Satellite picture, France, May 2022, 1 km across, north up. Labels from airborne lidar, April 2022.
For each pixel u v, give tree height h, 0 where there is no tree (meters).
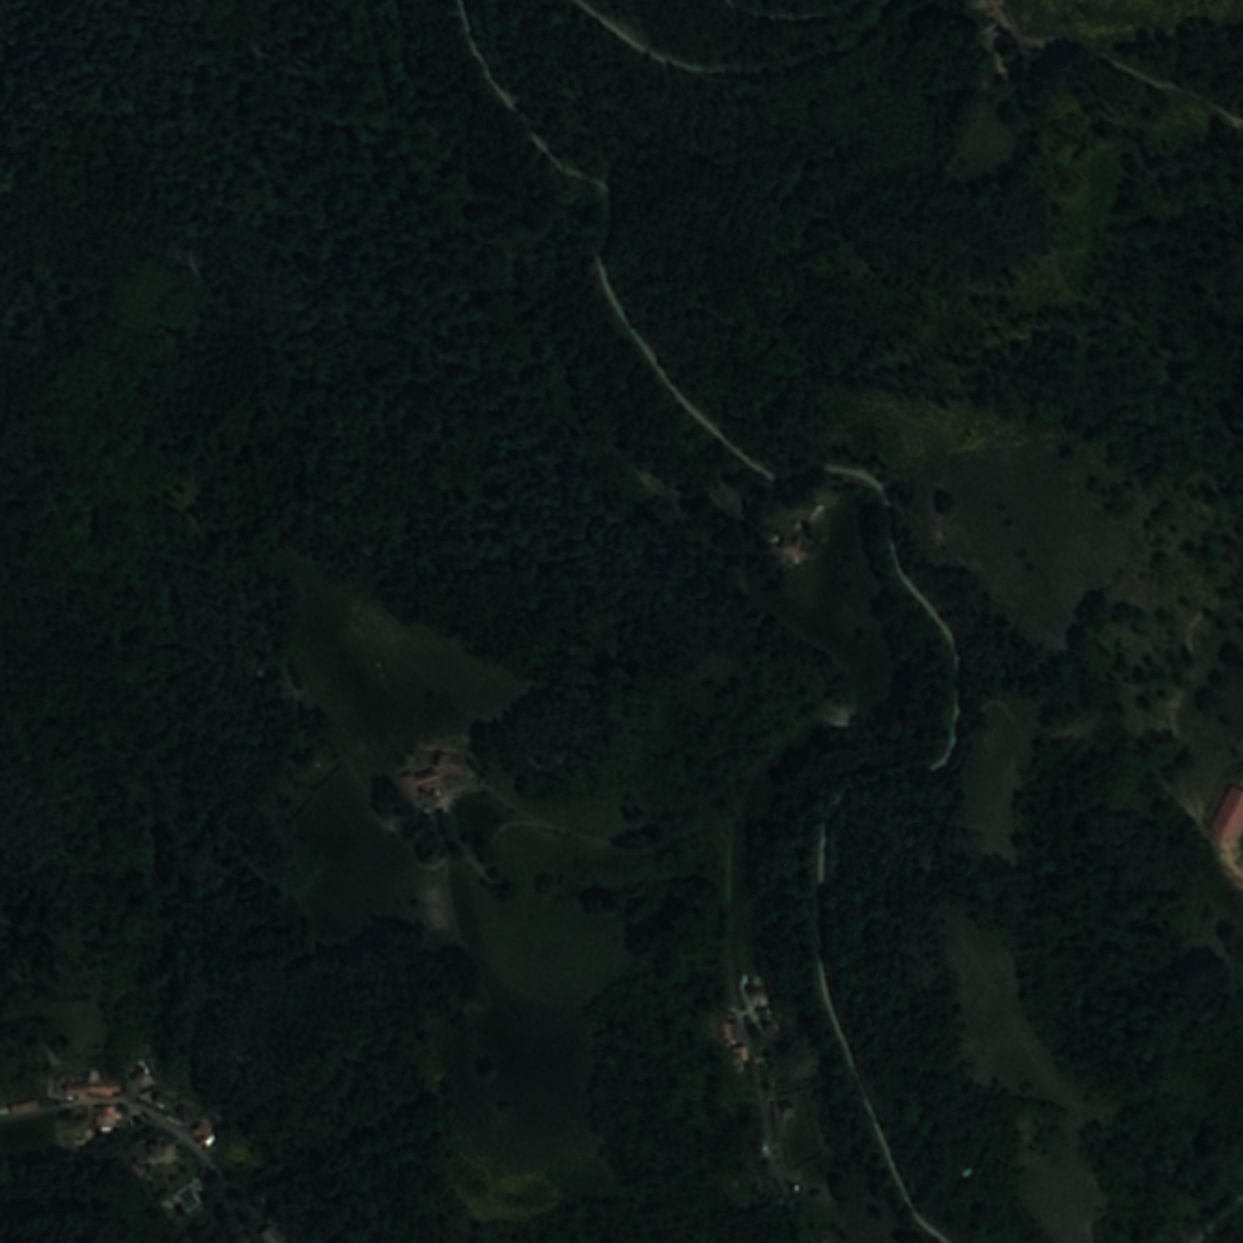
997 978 0
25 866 27
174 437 10
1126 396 19
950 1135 15
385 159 27
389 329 32
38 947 25
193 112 27
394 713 0
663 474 14
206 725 23
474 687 0
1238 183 17
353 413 22
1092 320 20
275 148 29
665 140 22
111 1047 7
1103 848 26
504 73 15
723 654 12
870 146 24
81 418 23
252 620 23
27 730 20
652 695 28
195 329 23
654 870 5
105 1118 0
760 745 19
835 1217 0
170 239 22
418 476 18
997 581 0
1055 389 20
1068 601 0
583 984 0
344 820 0
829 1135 6
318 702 0
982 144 0
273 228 30
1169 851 22
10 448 18
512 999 0
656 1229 8
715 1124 9
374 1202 15
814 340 11
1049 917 28
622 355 22
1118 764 10
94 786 30
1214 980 21
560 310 13
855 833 7
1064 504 0
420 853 12
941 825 10
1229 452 32
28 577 19
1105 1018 23
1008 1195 7
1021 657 11
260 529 14
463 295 15
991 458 0
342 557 21
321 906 0
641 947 15
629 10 15
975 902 20
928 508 0
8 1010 19
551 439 34
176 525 25
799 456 24
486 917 0
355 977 23
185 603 33
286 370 27
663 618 29
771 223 20
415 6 30
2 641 18
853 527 0
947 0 8
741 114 22
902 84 25
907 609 21
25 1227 16
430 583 28
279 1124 24
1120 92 25
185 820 26
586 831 0
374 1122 6
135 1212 8
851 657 0
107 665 25
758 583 15
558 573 31
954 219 23
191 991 17
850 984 12
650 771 18
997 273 16
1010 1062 0
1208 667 0
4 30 27
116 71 34
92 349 22
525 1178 0
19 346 31
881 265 17
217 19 28
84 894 19
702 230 14
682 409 13
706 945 7
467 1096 0
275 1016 21
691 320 16
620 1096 15
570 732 21
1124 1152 19
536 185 20
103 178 7
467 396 44
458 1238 12
